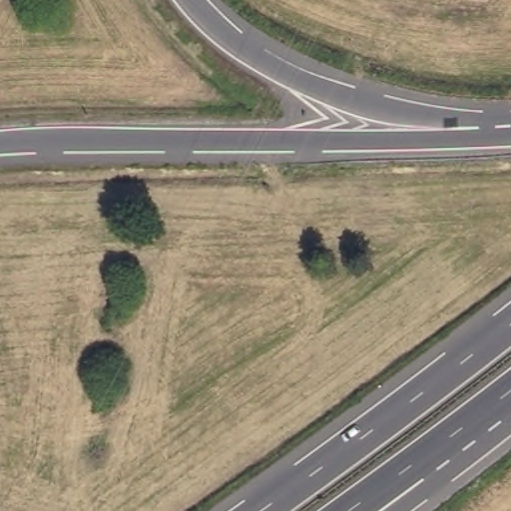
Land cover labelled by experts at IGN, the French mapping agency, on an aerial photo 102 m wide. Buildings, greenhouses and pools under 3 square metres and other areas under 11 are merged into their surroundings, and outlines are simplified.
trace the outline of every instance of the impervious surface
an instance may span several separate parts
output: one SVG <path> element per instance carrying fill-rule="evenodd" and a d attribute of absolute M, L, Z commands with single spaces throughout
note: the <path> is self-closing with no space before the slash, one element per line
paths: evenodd
<path fill-rule="evenodd" d="M 230 497 L 220 501 L 210 511 L 435 511 L 441 503 L 449 501 L 455 493 L 473 483 L 485 469 L 495 465 L 507 453 L 511 453 L 511 363 L 503 367 L 497 375 L 493 375 L 489 381 L 485 381 L 481 387 L 477 387 L 463 401 L 459 401 L 455 407 L 451 407 L 447 413 L 443 413 L 437 421 L 427 425 L 399 449 L 395 449 L 391 455 L 381 459 L 361 477 L 351 481 L 347 487 L 343 487 L 339 493 L 335 493 L 323 503 L 315 497 L 331 485 L 335 485 L 353 469 L 357 469 L 377 451 L 387 447 L 391 441 L 403 435 L 407 429 L 411 429 L 415 423 L 419 423 L 423 417 L 427 417 L 431 411 L 435 411 L 439 405 L 443 405 L 449 397 L 453 397 L 457 391 L 461 391 L 475 377 L 479 377 L 483 371 L 487 371 L 491 365 L 495 365 L 511 351 L 511 287 L 503 291 L 497 299 L 493 299 L 489 305 L 485 305 L 481 311 L 477 311 L 473 317 L 469 317 L 465 323 L 461 323 L 457 329 L 453 329 L 427 353 L 423 353 L 413 363 L 403 367 L 389 381 L 377 385 L 377 389 L 371 391 L 361 403 L 335 417 L 331 423 L 327 423 L 323 429 L 319 429 L 307 441 L 297 445 L 269 469 L 261 471 L 252 481 L 248 481 L 244 487 L 234 491 Z"/>
<path fill-rule="evenodd" d="M 218 52 L 222 52 L 226 58 L 230 58 L 244 70 L 252 72 L 257 78 L 271 84 L 271 92 L 281 102 L 283 118 L 150 118 L 94 124 L 38 122 L 34 126 L 0 126 L 0 176 L 20 172 L 100 172 L 110 166 L 124 164 L 128 164 L 130 168 L 150 170 L 208 170 L 232 168 L 234 164 L 277 164 L 291 162 L 355 166 L 393 164 L 399 168 L 411 168 L 413 164 L 437 162 L 511 162 L 511 92 L 507 92 L 503 98 L 457 98 L 353 76 L 323 62 L 317 62 L 273 40 L 244 18 L 240 18 L 222 0 L 170 0 L 172 6 L 182 14 L 182 18 Z"/>

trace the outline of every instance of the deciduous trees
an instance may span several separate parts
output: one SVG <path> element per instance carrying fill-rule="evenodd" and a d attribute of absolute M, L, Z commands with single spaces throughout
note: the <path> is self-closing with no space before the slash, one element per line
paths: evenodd
<path fill-rule="evenodd" d="M 311 259 L 303 265 L 313 279 L 345 275 L 347 271 L 351 275 L 361 275 L 371 267 L 369 252 L 343 263 L 341 248 L 337 244 L 327 248 L 327 252 L 321 257 Z"/>
<path fill-rule="evenodd" d="M 164 236 L 164 222 L 160 220 L 160 212 L 152 202 L 150 194 L 146 192 L 132 204 L 116 204 L 114 212 L 106 218 L 110 232 L 118 240 L 132 242 L 136 246 L 150 246 L 156 238 Z"/>
<path fill-rule="evenodd" d="M 106 305 L 100 311 L 98 321 L 106 339 L 90 343 L 82 351 L 78 361 L 78 377 L 84 387 L 84 393 L 92 401 L 92 413 L 108 413 L 118 403 L 126 401 L 126 397 L 130 395 L 132 359 L 116 341 L 120 339 L 120 329 L 134 317 L 146 295 L 146 271 L 140 263 L 134 269 L 130 269 L 124 263 L 114 263 L 110 271 L 102 277 L 106 287 Z"/>
<path fill-rule="evenodd" d="M 10 6 L 20 26 L 24 30 L 38 32 L 70 30 L 76 12 L 74 0 L 12 0 Z"/>

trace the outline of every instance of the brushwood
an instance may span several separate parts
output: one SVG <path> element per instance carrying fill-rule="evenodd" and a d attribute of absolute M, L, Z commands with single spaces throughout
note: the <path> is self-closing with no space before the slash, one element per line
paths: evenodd
<path fill-rule="evenodd" d="M 477 311 L 481 311 L 485 305 L 489 305 L 493 299 L 497 299 L 503 291 L 511 287 L 511 275 L 497 287 L 493 287 L 489 293 L 485 293 L 481 299 L 471 303 L 467 309 L 463 309 L 459 315 L 441 325 L 437 331 L 433 331 L 429 337 L 419 341 L 415 347 L 393 359 L 377 375 L 357 385 L 339 403 L 323 411 L 297 433 L 283 439 L 267 455 L 259 457 L 252 465 L 224 481 L 220 487 L 210 491 L 206 497 L 202 497 L 186 511 L 210 511 L 220 501 L 230 497 L 234 491 L 244 487 L 248 481 L 252 481 L 261 471 L 269 469 L 297 445 L 307 441 L 319 429 L 323 429 L 327 423 L 331 423 L 335 417 L 361 403 L 371 391 L 377 389 L 377 385 L 389 381 L 403 367 L 413 363 L 423 353 L 427 353 L 453 329 L 457 329 L 461 323 L 465 323 L 469 317 L 473 317 Z"/>
<path fill-rule="evenodd" d="M 98 433 L 90 437 L 88 443 L 82 447 L 82 453 L 92 463 L 92 469 L 104 467 L 110 455 L 110 443 Z"/>

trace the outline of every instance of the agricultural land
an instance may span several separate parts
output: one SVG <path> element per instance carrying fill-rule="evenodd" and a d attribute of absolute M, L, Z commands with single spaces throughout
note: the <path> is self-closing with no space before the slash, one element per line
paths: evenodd
<path fill-rule="evenodd" d="M 391 62 L 393 66 L 407 68 L 411 72 L 471 76 L 473 80 L 481 82 L 497 82 L 501 76 L 511 74 L 511 0 L 248 0 L 257 12 L 277 22 L 283 22 L 301 34 L 315 36 L 327 44 L 339 46 L 349 52 L 381 58 L 383 62 Z"/>
<path fill-rule="evenodd" d="M 186 511 L 202 497 L 206 497 L 210 491 L 220 487 L 224 481 L 252 465 L 259 457 L 267 455 L 283 439 L 297 433 L 323 411 L 339 403 L 357 385 L 377 375 L 393 359 L 415 347 L 419 341 L 429 337 L 433 331 L 437 331 L 441 325 L 459 315 L 463 309 L 467 309 L 471 303 L 481 299 L 485 293 L 489 293 L 493 287 L 497 287 L 511 275 L 511 162 L 437 162 L 413 164 L 411 168 L 399 168 L 393 164 L 355 166 L 357 170 L 349 180 L 331 178 L 305 184 L 287 184 L 287 180 L 277 172 L 277 164 L 234 164 L 232 168 L 208 170 L 150 170 L 130 168 L 128 164 L 124 164 L 110 166 L 100 172 L 20 172 L 0 176 L 0 511 Z M 156 238 L 150 246 L 136 246 L 132 242 L 118 240 L 110 232 L 106 218 L 114 212 L 116 204 L 132 204 L 146 192 L 150 194 L 152 202 L 160 212 L 160 220 L 164 222 L 164 236 Z M 345 275 L 313 279 L 303 265 L 311 259 L 321 257 L 327 252 L 327 248 L 337 244 L 341 248 L 343 263 L 369 252 L 371 267 L 361 275 L 351 275 L 347 271 Z M 134 317 L 120 329 L 120 339 L 116 341 L 132 359 L 130 395 L 126 397 L 126 401 L 118 403 L 108 413 L 92 413 L 92 401 L 84 393 L 84 387 L 78 377 L 78 361 L 82 351 L 90 343 L 106 339 L 98 321 L 100 311 L 106 305 L 106 287 L 102 277 L 110 271 L 114 263 L 124 263 L 130 269 L 134 269 L 140 263 L 146 271 L 146 295 Z M 82 447 L 88 443 L 90 437 L 98 433 L 110 443 L 110 455 L 104 467 L 92 469 L 92 463 L 82 453 Z"/>
<path fill-rule="evenodd" d="M 503 481 L 495 481 L 487 491 L 483 491 L 483 495 L 477 501 L 469 501 L 463 511 L 511 511 L 511 471 L 505 475 Z"/>
<path fill-rule="evenodd" d="M 150 26 L 140 18 L 132 0 L 74 0 L 76 12 L 70 30 L 38 32 L 24 30 L 20 26 L 10 6 L 12 0 L 0 0 L 0 108 L 128 106 L 130 102 L 136 102 L 140 106 L 194 106 L 198 100 L 220 104 L 222 94 L 204 84 L 170 50 L 164 48 L 164 44 L 152 34 Z"/>

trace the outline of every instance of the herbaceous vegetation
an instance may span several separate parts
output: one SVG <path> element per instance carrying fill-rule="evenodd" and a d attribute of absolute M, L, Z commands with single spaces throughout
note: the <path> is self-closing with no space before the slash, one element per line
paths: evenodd
<path fill-rule="evenodd" d="M 170 0 L 132 0 L 140 18 L 150 26 L 152 34 L 164 44 L 164 48 L 170 50 L 204 84 L 222 94 L 220 104 L 198 100 L 194 106 L 140 106 L 136 102 L 130 102 L 128 106 L 0 108 L 0 126 L 34 126 L 38 122 L 94 124 L 150 118 L 283 118 L 281 102 L 271 92 L 271 84 L 257 78 L 252 72 L 244 70 L 230 58 L 226 58 L 222 52 L 218 52 L 182 18 L 182 14 L 172 6 Z"/>
<path fill-rule="evenodd" d="M 455 493 L 449 501 L 441 503 L 435 511 L 463 511 L 469 501 L 477 501 L 483 495 L 483 491 L 487 491 L 495 481 L 503 481 L 505 475 L 511 471 L 511 453 L 507 453 L 495 465 L 485 469 L 473 483 Z"/>
<path fill-rule="evenodd" d="M 501 76 L 497 82 L 481 82 L 473 80 L 471 76 L 411 72 L 407 68 L 393 66 L 391 62 L 383 62 L 381 58 L 349 52 L 339 46 L 327 44 L 315 36 L 301 34 L 283 22 L 277 22 L 257 12 L 248 0 L 222 0 L 240 18 L 244 18 L 273 40 L 317 62 L 323 62 L 353 76 L 457 98 L 503 98 L 507 92 L 511 92 L 511 74 Z"/>
<path fill-rule="evenodd" d="M 477 387 L 481 387 L 485 381 L 489 381 L 493 375 L 497 375 L 503 367 L 511 363 L 511 351 L 495 365 L 491 365 L 487 371 L 483 371 L 479 377 L 475 377 L 461 391 L 457 391 L 453 397 L 449 397 L 443 405 L 439 405 L 435 411 L 431 411 L 427 417 L 423 417 L 419 423 L 415 423 L 411 429 L 407 429 L 403 435 L 391 441 L 387 447 L 377 451 L 357 469 L 353 469 L 335 485 L 331 485 L 315 497 L 323 503 L 335 493 L 339 493 L 343 487 L 347 487 L 351 481 L 361 477 L 381 459 L 391 455 L 395 449 L 399 449 L 427 425 L 437 421 L 443 413 L 447 413 L 451 407 L 455 407 L 459 401 L 463 401 Z"/>
<path fill-rule="evenodd" d="M 287 180 L 287 184 L 305 184 L 331 178 L 349 180 L 357 170 L 355 166 L 291 162 L 277 164 L 277 172 Z"/>

